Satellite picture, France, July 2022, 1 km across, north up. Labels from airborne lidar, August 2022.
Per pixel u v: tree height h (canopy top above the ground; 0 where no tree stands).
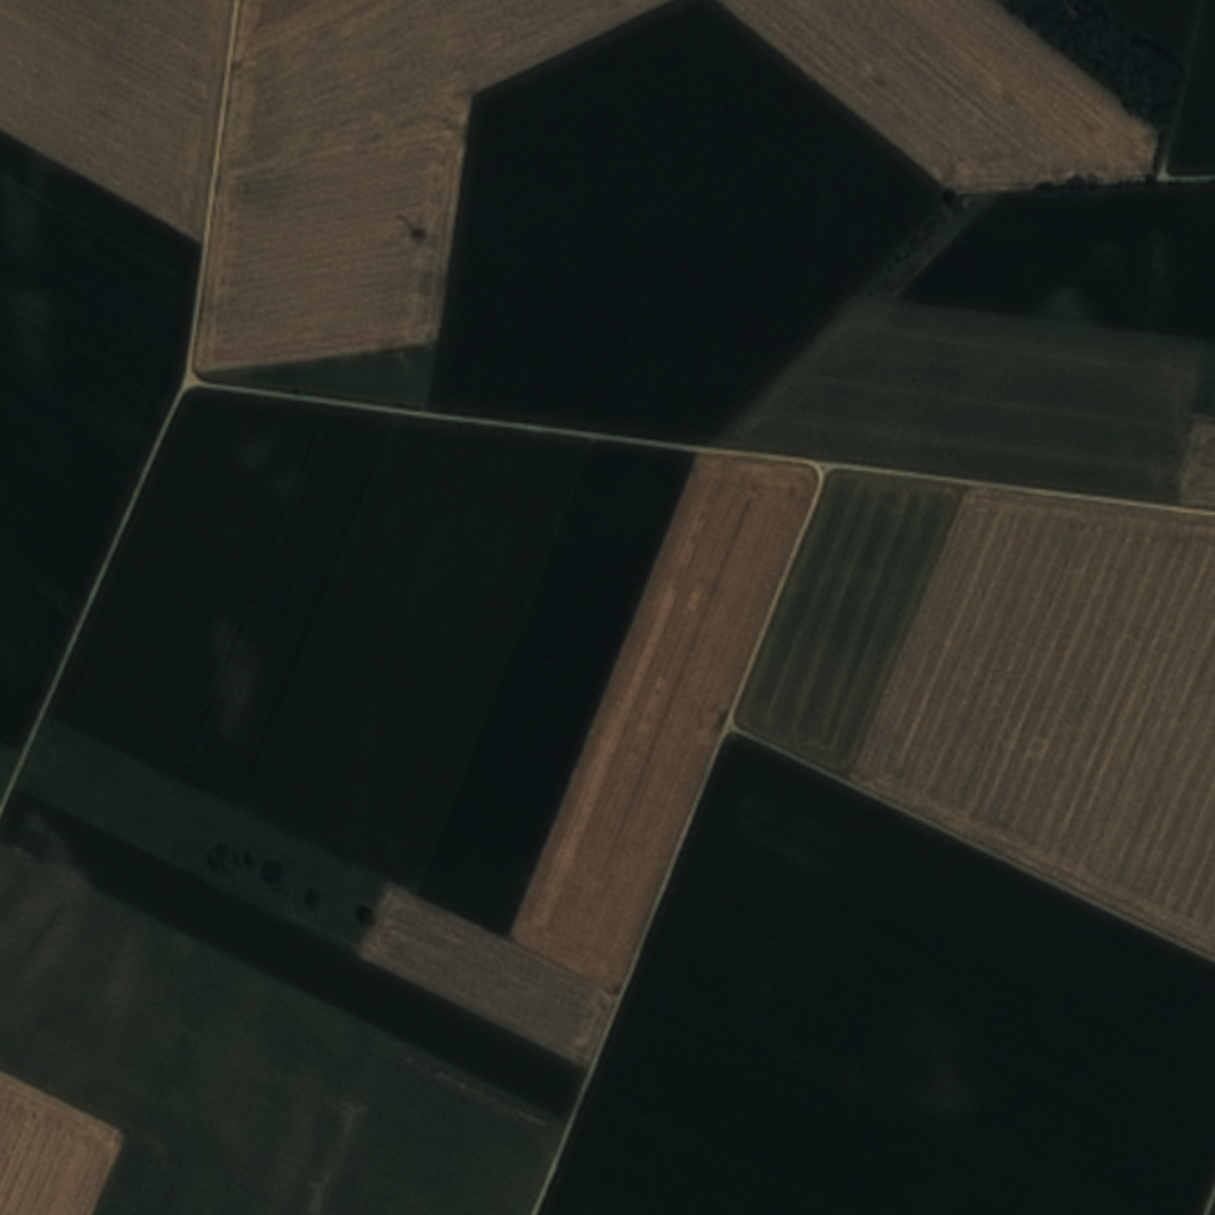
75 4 0
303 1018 0
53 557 0
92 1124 0
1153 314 0
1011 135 0
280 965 0
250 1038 0
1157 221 0
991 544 0
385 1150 0
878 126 0
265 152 0
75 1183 0
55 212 0
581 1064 0
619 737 0
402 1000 0
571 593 0
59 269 0
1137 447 0
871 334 0
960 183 0
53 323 0
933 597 0
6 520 0
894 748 0
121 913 0
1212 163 0
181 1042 0
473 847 0
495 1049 0
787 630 0
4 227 0
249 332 0
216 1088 0
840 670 0
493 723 0
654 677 0
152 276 0
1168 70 26
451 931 0
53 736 0
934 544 0
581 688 0
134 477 0
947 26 0
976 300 0
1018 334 0
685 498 0
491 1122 0
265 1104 0
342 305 0
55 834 0
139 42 0
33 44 0
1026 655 0
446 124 0
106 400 0
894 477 0
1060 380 0
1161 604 0
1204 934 0
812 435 0
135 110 0
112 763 0
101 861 0
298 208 0
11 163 0
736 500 0
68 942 0
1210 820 0
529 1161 0
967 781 0
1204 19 0
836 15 0
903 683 0
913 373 0
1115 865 0
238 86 0
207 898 0
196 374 0
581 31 0
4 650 0
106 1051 0
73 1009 0
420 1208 0
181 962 0
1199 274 0
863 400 0
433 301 0
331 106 0
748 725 0
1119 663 0
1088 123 0
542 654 0
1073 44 13
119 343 0
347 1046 0
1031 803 0
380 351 0
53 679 0
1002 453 0
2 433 0
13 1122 0
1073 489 0
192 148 0
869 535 0
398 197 0
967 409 0
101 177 0
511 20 0
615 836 0
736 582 0
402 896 0
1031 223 0
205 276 0
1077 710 0
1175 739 0
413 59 0
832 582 0
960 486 0
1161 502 0
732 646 0
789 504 0
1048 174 0
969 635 0
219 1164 0
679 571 0
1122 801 0
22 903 0
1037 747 0
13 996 0
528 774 0
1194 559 0
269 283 0
